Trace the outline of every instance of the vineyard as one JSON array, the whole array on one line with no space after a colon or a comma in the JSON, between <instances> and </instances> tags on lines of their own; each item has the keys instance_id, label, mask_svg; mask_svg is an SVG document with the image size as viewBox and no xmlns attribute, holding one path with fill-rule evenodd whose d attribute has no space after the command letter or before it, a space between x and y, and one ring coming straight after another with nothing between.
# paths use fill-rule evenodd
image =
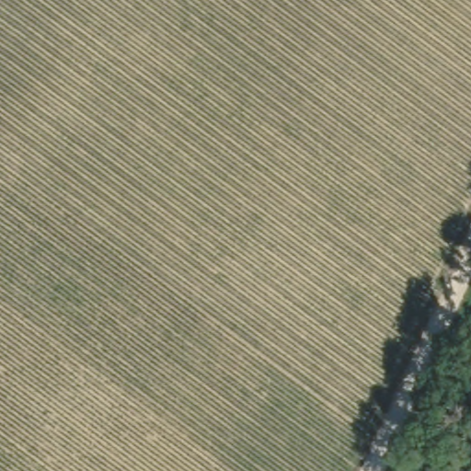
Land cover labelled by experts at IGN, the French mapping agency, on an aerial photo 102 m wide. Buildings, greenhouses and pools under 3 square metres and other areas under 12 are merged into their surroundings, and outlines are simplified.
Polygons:
<instances>
[{"instance_id":1,"label":"vineyard","mask_svg":"<svg viewBox=\"0 0 471 471\"><path fill-rule=\"evenodd\" d=\"M449 327L442 326L436 316L438 309L442 307L438 304L438 300L443 298L440 287L447 283L443 276L440 276L440 272L443 265L458 269L458 247L464 245L471 228L471 0L0 0L0 471L362 471L359 456L372 453L373 438L383 427L383 423L394 421L397 425L396 431L407 429L418 416L416 396L410 390L403 388L403 379L408 375L410 364L414 362L414 348L421 346L423 331L431 337L436 333L440 333L442 337L462 335L462 320L456 315L453 316Z\"/></svg>"}]
</instances>

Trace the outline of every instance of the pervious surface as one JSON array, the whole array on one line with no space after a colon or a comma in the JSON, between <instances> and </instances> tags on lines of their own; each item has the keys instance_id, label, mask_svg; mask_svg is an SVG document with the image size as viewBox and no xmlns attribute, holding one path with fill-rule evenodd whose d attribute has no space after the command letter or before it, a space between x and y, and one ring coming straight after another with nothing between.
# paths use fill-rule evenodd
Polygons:
<instances>
[{"instance_id":1,"label":"pervious surface","mask_svg":"<svg viewBox=\"0 0 471 471\"><path fill-rule=\"evenodd\" d=\"M465 291L471 278L471 228L464 245L458 247L458 269L443 265L440 272L440 276L443 276L447 283L440 287L443 298L438 300L438 304L442 307L438 309L436 316L442 326L449 327L453 316L456 315L456 311L464 302Z\"/></svg>"},{"instance_id":2,"label":"pervious surface","mask_svg":"<svg viewBox=\"0 0 471 471\"><path fill-rule=\"evenodd\" d=\"M396 431L397 425L394 421L383 423L383 427L373 438L372 453L359 456L362 471L385 471L383 454L386 453L386 445L390 442L390 434Z\"/></svg>"},{"instance_id":3,"label":"pervious surface","mask_svg":"<svg viewBox=\"0 0 471 471\"><path fill-rule=\"evenodd\" d=\"M431 353L431 337L423 331L421 346L414 348L414 362L410 364L408 375L403 379L403 388L410 390L414 388L414 377L427 370L423 361Z\"/></svg>"}]
</instances>

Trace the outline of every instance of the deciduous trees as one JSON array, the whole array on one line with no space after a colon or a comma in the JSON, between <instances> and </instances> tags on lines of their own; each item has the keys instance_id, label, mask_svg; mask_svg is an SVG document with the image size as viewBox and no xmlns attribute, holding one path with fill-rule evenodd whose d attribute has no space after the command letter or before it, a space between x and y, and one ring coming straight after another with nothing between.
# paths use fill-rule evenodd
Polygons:
<instances>
[{"instance_id":1,"label":"deciduous trees","mask_svg":"<svg viewBox=\"0 0 471 471\"><path fill-rule=\"evenodd\" d=\"M442 337L440 333L436 333L431 337L431 353L423 361L427 370L414 377L414 388L410 390L416 396L418 416L407 429L396 431L390 434L390 442L386 445L386 453L383 454L385 471L471 471L471 278L465 291L464 302L456 311L456 315L462 320L462 335Z\"/></svg>"}]
</instances>

